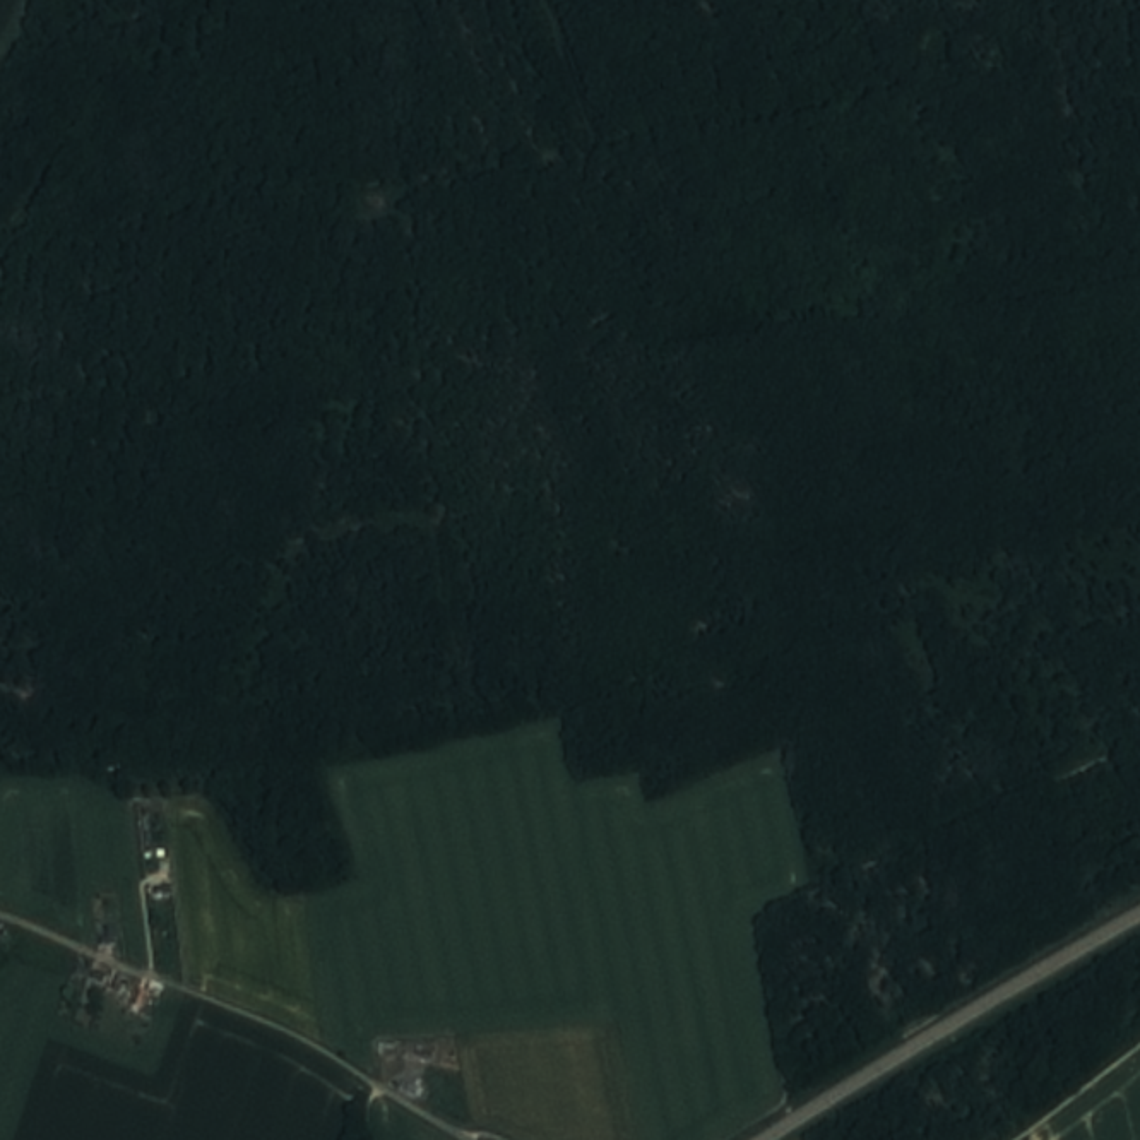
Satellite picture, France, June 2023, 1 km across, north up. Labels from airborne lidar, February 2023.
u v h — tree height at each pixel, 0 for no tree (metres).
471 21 21
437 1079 0
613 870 0
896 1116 23
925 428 24
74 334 20
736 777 0
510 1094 0
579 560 19
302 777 11
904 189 21
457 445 15
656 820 0
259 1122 0
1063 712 19
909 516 26
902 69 20
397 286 21
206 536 21
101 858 0
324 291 19
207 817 0
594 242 22
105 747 12
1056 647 22
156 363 20
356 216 16
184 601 20
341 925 0
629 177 20
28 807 0
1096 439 19
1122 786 11
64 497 19
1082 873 20
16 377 14
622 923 0
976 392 13
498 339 19
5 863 0
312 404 22
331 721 18
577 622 19
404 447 16
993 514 19
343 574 13
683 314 19
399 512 17
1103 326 16
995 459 19
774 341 19
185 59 22
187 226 19
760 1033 0
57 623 21
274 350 21
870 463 24
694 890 0
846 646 23
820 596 16
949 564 23
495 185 18
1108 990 18
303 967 0
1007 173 20
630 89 20
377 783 0
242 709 17
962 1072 19
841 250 19
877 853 21
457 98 21
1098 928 0
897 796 23
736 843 0
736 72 20
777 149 21
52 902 0
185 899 0
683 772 15
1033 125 17
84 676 18
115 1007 0
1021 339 16
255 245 22
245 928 0
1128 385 13
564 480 16
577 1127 0
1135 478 19
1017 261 18
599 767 16
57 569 23
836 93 14
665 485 11
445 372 17
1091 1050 18
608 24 21
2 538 18
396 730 14
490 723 15
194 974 0
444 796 0
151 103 20
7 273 17
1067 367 11
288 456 19
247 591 19
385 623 11
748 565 21
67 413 14
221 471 24
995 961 18
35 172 22
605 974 0
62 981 0
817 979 20
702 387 21
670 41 21
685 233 18
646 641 20
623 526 17
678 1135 0
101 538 20
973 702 17
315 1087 0
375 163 16
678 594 21
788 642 21
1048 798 18
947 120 22
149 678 16
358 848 0
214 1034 0
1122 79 18
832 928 19
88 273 20
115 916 0
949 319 24
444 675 18
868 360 23
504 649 20
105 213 22
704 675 20
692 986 0
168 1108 0
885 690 19
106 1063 0
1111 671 22
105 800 0
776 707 15
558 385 18
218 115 21
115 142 17
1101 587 22
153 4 21
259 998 0
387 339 20
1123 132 19
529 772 0
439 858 0
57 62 20
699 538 17
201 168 16
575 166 17
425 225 15
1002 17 18
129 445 11
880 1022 16
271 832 17
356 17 18
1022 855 21
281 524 19
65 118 21
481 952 0
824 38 18
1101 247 17
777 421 22
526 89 21
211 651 21
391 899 0
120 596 21
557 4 15
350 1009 0
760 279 19
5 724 20
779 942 17
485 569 16
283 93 22
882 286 20
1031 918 19
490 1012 0
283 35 23
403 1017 0
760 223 25
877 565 22
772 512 22
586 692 14
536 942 0
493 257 20
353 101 23
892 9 22
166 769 12
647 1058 0
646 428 17
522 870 0
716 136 25
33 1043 0
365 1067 0
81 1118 0
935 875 18
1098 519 18
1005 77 18
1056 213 17
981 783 17
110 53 23
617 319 21
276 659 20
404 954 0
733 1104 0
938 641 17
